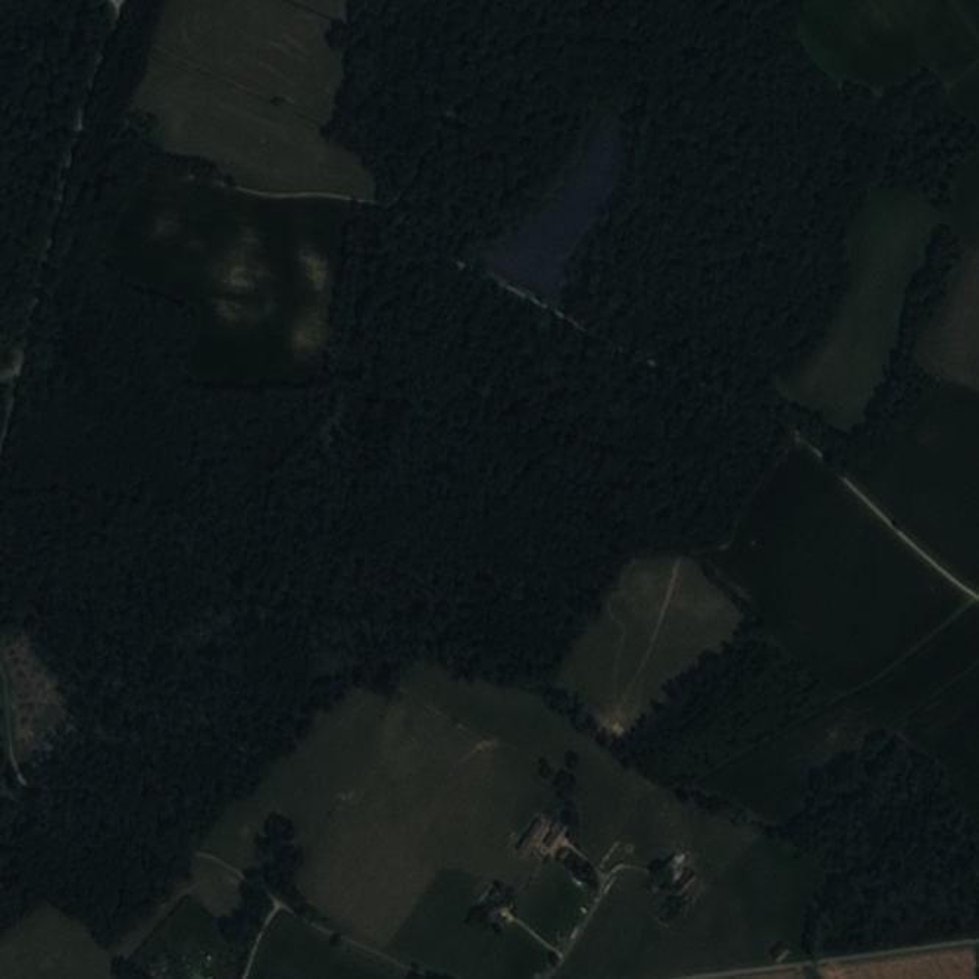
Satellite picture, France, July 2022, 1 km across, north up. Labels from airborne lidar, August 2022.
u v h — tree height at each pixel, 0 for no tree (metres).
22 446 13
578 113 25
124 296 16
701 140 19
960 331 0
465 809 0
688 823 0
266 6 0
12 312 22
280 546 22
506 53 22
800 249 22
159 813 16
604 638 0
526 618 15
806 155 18
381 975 0
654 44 18
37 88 31
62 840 24
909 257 0
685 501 24
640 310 22
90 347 21
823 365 0
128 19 14
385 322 21
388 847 0
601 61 10
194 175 18
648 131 19
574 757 14
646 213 18
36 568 27
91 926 13
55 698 0
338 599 6
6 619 20
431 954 0
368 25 28
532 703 0
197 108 0
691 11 17
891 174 14
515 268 0
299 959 0
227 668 22
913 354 12
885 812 16
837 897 31
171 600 24
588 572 24
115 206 15
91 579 24
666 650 0
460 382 17
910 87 14
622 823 0
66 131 26
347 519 18
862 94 20
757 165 25
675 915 8
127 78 13
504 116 24
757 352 23
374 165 14
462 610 11
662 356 13
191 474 13
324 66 0
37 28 8
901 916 40
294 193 0
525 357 12
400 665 34
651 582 0
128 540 23
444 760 0
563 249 0
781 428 21
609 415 17
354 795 0
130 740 27
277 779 0
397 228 16
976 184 0
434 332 19
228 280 0
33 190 24
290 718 19
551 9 26
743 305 23
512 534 17
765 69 19
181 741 25
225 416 20
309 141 0
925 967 0
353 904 0
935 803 25
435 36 25
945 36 0
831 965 0
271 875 20
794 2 23
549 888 0
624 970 0
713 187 22
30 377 12
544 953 0
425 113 23
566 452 25
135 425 13
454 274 10
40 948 0
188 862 18
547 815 0
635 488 23
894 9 0
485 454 27
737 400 17
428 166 16
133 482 13
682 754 0
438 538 17
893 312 0
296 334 0
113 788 28
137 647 27
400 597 26
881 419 23
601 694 0
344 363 6
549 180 19
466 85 23
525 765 0
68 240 20
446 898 0
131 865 25
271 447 19
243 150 0
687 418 19
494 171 21
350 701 0
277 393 19
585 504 18
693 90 20
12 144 25
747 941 0
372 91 25
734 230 20
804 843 24
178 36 0
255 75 0
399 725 0
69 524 16
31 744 0
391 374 19
